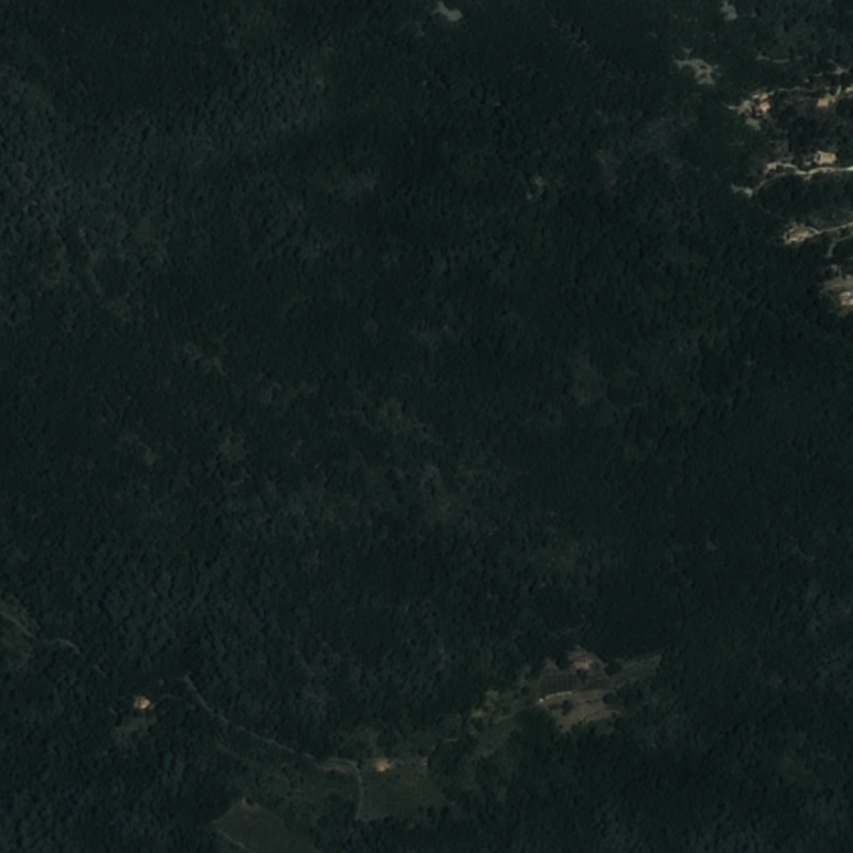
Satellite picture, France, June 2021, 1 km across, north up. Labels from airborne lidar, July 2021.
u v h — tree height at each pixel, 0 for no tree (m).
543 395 10
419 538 10
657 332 11
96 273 9
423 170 17
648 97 12
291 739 9
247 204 12
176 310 13
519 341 11
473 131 14
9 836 21
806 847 16
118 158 11
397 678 23
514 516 9
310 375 10
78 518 11
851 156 11
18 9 14
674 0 7
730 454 12
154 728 15
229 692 14
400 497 10
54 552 15
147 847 17
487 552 12
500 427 12
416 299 12
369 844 12
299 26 11
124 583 12
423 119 13
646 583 12
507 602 14
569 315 12
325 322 14
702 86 7
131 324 8
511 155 11
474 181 6
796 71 8
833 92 7
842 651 21
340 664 9
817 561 8
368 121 11
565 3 11
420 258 15
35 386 11
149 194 17
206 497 13
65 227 7
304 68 13
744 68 8
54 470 12
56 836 22
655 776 14
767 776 11
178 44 16
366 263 13
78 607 13
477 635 9
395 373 8
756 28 8
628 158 7
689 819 14
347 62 14
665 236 14
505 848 13
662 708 11
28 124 16
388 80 12
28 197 6
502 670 7
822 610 25
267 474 9
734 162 10
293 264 11
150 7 14
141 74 13
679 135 10
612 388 12
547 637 12
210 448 14
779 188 14
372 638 12
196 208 8
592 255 16
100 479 10
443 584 10
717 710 14
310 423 7
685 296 14
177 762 22
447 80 14
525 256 12
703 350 12
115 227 17
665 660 12
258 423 11
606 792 16
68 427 12
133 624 18
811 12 7
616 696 8
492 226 9
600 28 11
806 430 11
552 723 8
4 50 9
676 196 13
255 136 16
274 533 15
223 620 11
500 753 11
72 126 8
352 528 9
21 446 12
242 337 12
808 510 13
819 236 5
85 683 10
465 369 9
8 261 10
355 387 6
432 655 18
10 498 11
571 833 15
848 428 13
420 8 9
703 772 11
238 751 8
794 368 18
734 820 18
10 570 16
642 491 11
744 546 14
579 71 12
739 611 14
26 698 12
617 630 13
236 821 0
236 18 11
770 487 13
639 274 14
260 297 12
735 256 15
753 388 11
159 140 15
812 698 11
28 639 6
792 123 8
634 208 16
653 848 13
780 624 13
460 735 10
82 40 11
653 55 11
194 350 7
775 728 12
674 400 12
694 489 11
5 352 12
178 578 21
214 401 9
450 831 12
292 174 7
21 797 23
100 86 10
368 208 21
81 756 16
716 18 9
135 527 8
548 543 15
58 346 11
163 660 16
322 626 11
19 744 5
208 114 17
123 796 23
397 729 6
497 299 19
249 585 13
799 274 14
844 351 9
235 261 11
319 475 9
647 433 11
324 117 9
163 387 9
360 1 12
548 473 10
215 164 12
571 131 16
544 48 11
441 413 8
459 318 9
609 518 9
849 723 15
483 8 8
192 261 12
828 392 13
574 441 11
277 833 0
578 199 15
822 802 21
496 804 10
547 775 8
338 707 12
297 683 9
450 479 6
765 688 12
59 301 9
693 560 13
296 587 12
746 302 16
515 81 15
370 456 10
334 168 8
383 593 10
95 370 9
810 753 10
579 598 11
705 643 8
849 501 12
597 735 14
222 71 11
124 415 7
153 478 8
